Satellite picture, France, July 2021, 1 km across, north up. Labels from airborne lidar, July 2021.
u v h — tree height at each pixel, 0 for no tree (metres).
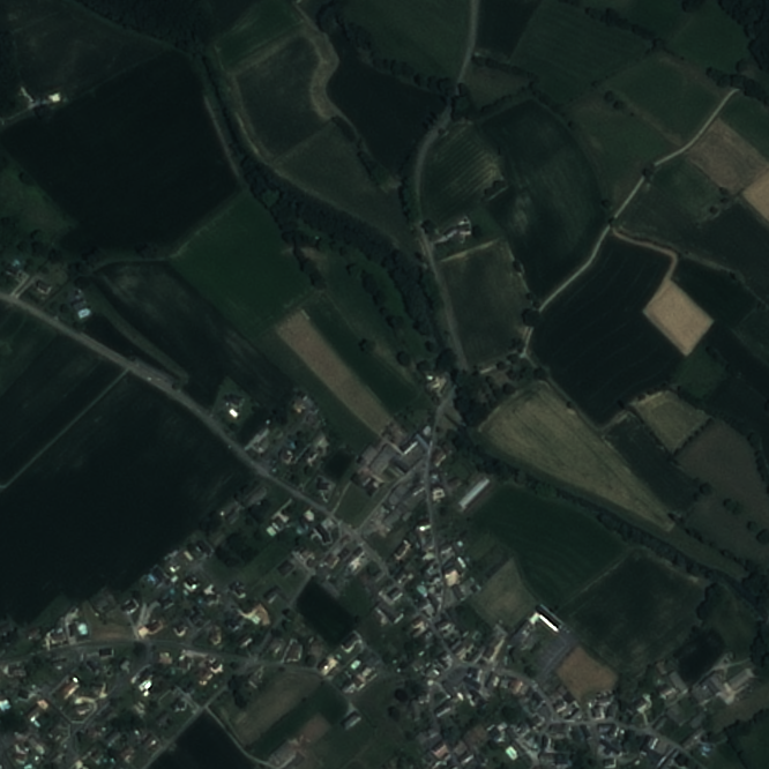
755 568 16
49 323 0
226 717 0
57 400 0
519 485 8
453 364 20
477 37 0
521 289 0
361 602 0
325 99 0
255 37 0
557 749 12
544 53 0
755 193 0
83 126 0
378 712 0
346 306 0
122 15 29
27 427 0
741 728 21
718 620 0
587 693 0
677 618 0
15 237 11
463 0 0
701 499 16
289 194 32
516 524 0
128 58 0
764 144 0
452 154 0
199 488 0
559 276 0
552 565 0
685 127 0
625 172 0
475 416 31
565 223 0
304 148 0
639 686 7
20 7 0
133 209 0
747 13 21
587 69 0
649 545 27
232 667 8
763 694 0
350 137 9
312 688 0
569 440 0
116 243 0
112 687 0
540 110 0
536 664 0
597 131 0
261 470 0
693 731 5
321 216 30
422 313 34
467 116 22
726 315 0
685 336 0
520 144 0
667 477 0
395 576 12
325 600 0
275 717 0
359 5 0
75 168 0
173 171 0
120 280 0
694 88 0
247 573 0
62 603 0
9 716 6
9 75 29
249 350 0
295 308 0
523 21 0
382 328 0
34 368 0
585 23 0
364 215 0
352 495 0
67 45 0
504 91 0
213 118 0
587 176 0
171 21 25
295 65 0
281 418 18
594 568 0
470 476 0
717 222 0
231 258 0
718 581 25
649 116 0
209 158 0
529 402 0
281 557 0
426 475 0
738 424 13
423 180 0
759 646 15
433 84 16
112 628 0
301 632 0
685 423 0
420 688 10
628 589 0
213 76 12
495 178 0
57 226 0
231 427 8
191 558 0
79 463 0
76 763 0
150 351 0
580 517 0
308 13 0
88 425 0
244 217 0
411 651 8
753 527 15
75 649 0
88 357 0
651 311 0
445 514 7
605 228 0
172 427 0
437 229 15
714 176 0
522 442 0
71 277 7
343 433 0
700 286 0
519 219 0
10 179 0
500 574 0
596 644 0
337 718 0
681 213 0
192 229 0
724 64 0
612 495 0
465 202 0
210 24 23
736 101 0
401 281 31
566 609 0
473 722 10
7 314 0
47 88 0
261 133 0
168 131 0
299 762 0
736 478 0
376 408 0
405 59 0
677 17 0
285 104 0
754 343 0
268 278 0
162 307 0
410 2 0
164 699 0
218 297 0
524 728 0
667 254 0
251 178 13
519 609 0
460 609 7
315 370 0
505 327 0
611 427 0
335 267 0
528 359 0
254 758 0
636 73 0
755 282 0
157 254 18
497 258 0
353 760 0
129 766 0
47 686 0
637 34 14
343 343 0
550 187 0
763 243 0
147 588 0
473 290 0
